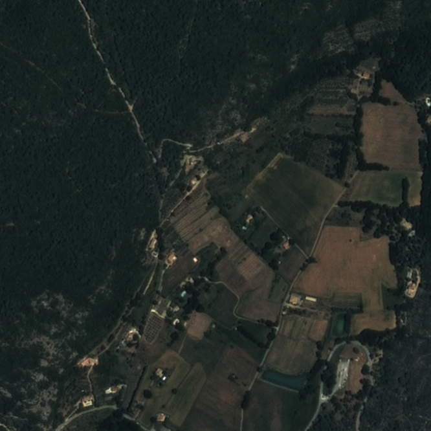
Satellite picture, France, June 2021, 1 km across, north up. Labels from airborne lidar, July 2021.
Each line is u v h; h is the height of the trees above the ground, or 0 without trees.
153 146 12
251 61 6
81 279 17
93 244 8
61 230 8
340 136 8
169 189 6
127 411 10
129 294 7
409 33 10
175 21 6
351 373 0
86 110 7
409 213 16
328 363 13
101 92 7
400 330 9
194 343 0
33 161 6
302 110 7
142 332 11
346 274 0
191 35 6
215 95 13
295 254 0
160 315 0
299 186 0
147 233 7
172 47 15
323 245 0
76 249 7
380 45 9
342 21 9
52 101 5
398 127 0
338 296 0
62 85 6
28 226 6
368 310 0
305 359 0
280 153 0
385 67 8
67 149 6
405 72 14
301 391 9
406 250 18
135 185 15
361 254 0
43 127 6
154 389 0
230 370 0
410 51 13
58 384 6
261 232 0
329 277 0
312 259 13
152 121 16
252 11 6
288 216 0
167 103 7
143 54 12
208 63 10
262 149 10
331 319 0
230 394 0
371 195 0
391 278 0
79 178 10
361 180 0
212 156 9
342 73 11
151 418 7
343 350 0
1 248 7
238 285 0
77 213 7
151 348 0
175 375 0
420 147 7
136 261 7
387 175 0
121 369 0
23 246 8
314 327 0
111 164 7
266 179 0
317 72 10
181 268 0
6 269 14
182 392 0
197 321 0
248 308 0
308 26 8
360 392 10
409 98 7
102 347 9
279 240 6
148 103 16
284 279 0
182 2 8
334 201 0
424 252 16
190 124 6
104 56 14
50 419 8
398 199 0
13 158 7
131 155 15
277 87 10
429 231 13
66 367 7
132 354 10
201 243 0
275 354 0
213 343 0
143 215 5
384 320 0
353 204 13
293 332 0
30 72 12
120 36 12
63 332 6
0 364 6
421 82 19
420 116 16
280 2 8
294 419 0
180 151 10
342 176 7
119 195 8
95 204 8
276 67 7
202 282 9
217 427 0
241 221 6
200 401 0
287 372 0
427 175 14
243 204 0
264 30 9
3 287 6
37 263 6
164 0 11
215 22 13
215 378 0
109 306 9
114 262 9
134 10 14
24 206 9
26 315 6
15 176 8
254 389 0
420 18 7
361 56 15
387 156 0
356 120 13
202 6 10
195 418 0
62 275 13
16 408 6
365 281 0
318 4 9
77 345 6
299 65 15
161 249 14
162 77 13
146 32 16
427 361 0
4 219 6
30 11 6
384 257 0
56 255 8
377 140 0
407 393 9
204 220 0
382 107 0
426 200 14
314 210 0
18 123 5
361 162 15
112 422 14
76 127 6
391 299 0
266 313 0
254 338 10
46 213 6
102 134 7
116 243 13
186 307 14
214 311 0
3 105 9
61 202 16
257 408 0
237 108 6
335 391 0
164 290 0
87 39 7
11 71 7
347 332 10
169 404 0
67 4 6
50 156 15
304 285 0
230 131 8
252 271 0
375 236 9
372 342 12
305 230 0
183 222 0
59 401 9
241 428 0
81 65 7
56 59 6
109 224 11
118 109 8
